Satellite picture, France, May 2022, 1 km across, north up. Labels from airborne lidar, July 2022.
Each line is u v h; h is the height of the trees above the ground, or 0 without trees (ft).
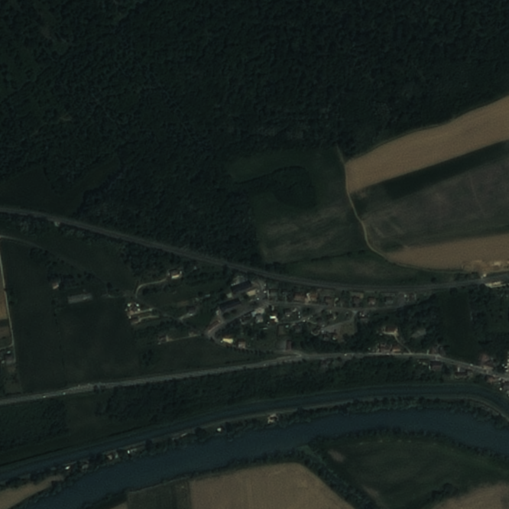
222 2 51
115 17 33
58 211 0
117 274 0
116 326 0
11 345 0
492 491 0
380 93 62
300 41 33
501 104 0
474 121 0
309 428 0
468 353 0
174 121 43
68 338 0
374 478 0
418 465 0
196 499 0
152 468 0
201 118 49
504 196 0
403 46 76
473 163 0
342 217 0
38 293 0
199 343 0
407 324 57
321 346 59
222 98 69
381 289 0
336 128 37
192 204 67
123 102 39
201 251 66
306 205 34
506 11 59
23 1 72
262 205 0
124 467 0
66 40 62
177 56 55
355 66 59
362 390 0
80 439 0
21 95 26
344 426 0
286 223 0
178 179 51
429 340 49
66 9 61
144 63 28
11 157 53
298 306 0
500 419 45
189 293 0
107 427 0
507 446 0
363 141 44
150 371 0
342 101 58
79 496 0
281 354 0
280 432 0
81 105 40
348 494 29
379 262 0
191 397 20
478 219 0
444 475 0
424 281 0
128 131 52
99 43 31
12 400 0
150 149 63
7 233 0
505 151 0
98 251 0
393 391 0
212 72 60
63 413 37
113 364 0
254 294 0
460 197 0
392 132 35
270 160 0
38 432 19
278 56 67
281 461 20
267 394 28
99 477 0
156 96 46
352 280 0
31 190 0
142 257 66
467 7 66
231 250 62
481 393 0
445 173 0
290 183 32
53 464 0
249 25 45
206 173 78
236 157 66
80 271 0
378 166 0
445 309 0
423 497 0
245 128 58
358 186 0
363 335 69
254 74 62
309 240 0
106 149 44
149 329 28
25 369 0
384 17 70
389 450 0
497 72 63
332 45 55
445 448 0
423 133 0
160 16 42
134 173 57
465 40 73
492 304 26
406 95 49
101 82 63
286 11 48
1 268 0
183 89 33
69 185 64
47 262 20
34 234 49
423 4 39
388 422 0
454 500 0
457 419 0
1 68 51
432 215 0
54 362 0
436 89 42
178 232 66
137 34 57
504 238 0
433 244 0
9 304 24
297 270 0
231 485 0
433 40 64
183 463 0
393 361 49
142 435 0
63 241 0
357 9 35
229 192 31
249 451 0
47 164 51
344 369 36
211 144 47
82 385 0
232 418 0
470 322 0
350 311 0
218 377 26
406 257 0
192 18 46
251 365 0
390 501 0
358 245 0
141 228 58
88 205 57
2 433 20
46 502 0
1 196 0
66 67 41
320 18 64
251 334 40
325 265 0
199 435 59
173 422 54
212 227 57
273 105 42
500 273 0
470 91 27
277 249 0
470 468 0
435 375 26
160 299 0
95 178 0
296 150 52
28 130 21
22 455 0
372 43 20
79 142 29
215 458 0
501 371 45
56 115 60
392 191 0
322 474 42
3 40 52
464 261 0
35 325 0
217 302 20
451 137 0
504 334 21
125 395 64
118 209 54
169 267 0
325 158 0
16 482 45
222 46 72
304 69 69
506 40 62
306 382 32
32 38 50
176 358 0
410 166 0
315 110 32
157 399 54
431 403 39
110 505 0
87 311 0
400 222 0
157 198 51
